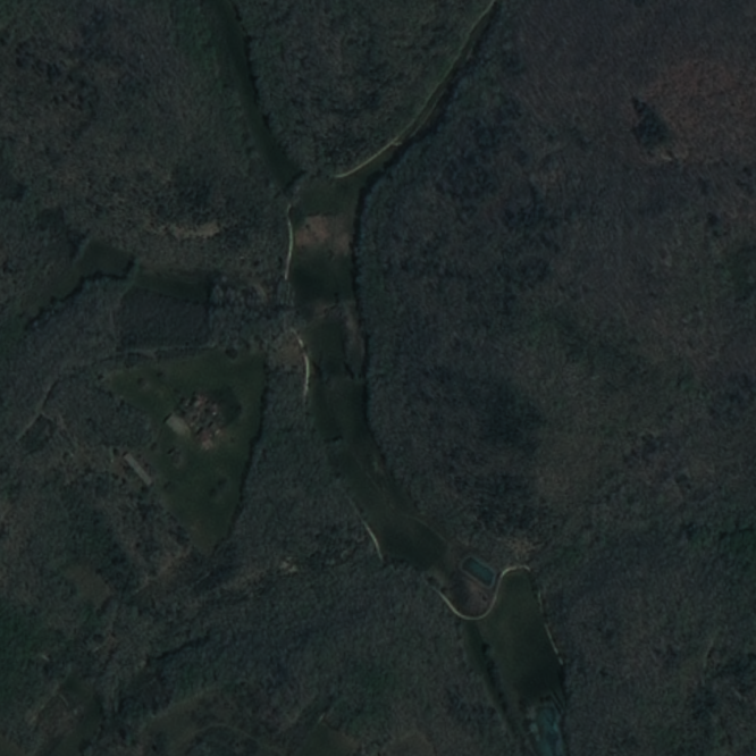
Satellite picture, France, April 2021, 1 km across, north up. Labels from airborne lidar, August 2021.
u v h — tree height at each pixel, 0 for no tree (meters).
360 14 18
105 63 24
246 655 21
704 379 15
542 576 15
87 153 13
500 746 18
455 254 13
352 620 14
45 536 17
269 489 18
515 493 8
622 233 18
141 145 16
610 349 15
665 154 12
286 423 19
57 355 13
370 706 15
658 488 10
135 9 16
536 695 0
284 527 15
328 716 20
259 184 9
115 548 9
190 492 0
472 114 19
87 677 10
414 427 11
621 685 16
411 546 0
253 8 17
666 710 20
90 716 0
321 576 12
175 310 6
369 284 19
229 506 0
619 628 10
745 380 11
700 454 15
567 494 13
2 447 14
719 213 13
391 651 15
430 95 17
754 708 14
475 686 14
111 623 14
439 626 14
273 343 11
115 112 17
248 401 0
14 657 22
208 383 0
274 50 15
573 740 15
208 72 14
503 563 19
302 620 19
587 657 13
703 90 10
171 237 6
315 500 14
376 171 0
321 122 13
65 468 9
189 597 10
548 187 10
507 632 0
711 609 18
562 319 13
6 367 15
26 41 17
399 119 17
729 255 8
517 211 14
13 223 21
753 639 18
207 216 8
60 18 18
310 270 0
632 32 13
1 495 10
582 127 13
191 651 18
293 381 13
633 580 15
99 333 12
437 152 17
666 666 14
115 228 15
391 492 0
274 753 0
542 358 16
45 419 6
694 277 18
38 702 15
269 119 19
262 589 7
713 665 9
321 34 17
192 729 0
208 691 16
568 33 13
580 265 14
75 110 14
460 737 11
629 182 16
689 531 16
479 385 14
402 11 22
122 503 8
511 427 9
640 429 24
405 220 14
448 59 23
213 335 14
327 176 17
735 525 20
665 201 15
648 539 17
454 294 15
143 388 10
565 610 8
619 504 20
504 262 12
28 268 14
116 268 0
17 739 18
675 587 16
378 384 20
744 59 8
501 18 19
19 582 15
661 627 20
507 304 18
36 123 13
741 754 15
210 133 14
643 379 15
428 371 13
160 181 12
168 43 16
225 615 17
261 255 12
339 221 0
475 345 19
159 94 19
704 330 23
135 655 13
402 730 15
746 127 7
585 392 18
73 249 8
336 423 0
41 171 13
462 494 11
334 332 0
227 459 0
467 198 15
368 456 0
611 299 17
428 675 11
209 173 6
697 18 15
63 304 13
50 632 10
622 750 10
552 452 18
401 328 11
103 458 11
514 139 20
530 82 12
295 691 19
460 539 20
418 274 11
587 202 19
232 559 7
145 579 10
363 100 11
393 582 10
